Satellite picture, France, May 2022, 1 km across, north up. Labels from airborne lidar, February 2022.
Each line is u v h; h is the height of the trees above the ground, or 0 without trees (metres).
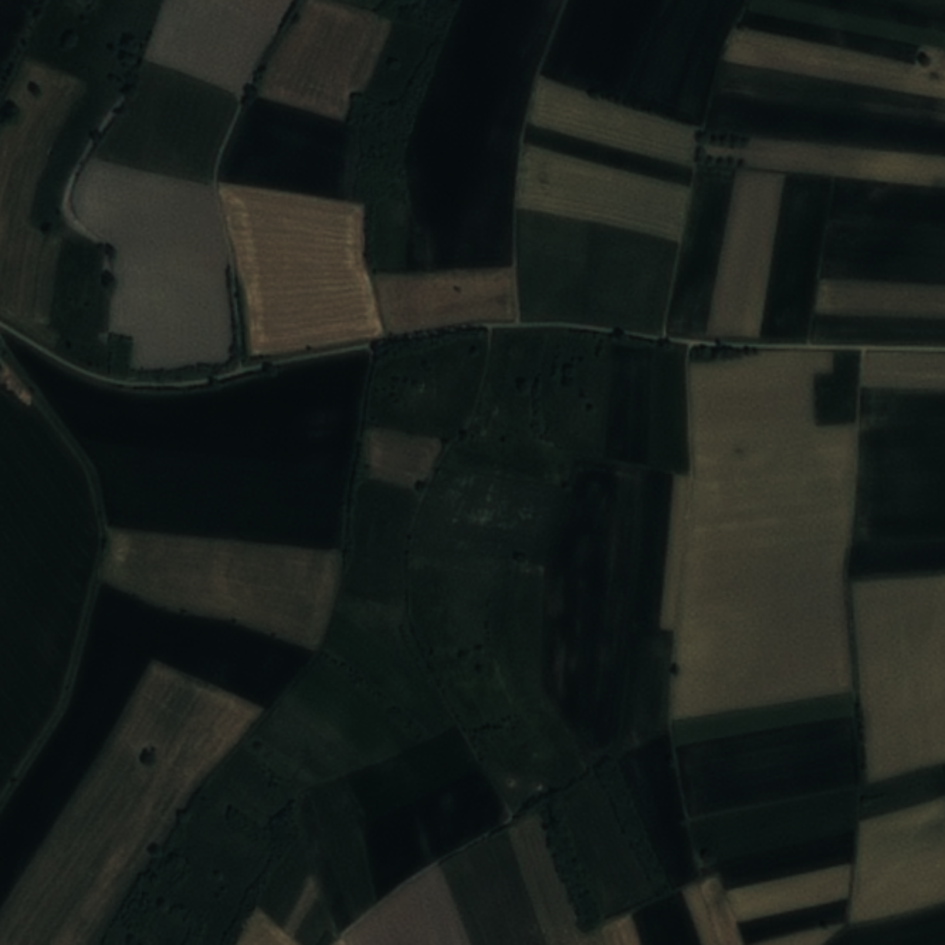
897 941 0
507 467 0
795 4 0
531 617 0
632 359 0
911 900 0
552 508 0
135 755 0
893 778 0
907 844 0
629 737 0
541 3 0
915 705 0
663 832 0
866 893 0
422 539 0
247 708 0
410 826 0
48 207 0
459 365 0
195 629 0
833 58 0
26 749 0
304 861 0
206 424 0
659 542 0
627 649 0
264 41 0
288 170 0
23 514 0
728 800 0
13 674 0
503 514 0
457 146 0
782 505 0
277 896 0
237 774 0
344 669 7
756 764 0
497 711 0
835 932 0
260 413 0
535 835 0
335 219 0
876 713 0
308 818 0
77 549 0
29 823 0
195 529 0
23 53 0
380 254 0
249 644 0
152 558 0
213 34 0
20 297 0
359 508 0
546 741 0
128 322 0
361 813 0
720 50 0
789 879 0
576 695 0
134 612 0
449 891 0
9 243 0
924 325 0
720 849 0
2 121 16
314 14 0
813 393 0
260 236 0
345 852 0
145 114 0
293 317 0
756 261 0
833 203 0
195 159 0
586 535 0
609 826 0
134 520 0
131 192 0
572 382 7
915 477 0
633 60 0
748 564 0
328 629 0
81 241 0
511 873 0
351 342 0
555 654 0
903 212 0
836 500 0
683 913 0
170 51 0
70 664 0
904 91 0
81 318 0
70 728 0
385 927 0
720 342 0
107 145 0
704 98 0
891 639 0
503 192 0
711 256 0
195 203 0
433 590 0
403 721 7
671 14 0
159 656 0
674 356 0
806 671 0
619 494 0
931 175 0
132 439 0
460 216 0
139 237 0
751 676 0
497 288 0
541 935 0
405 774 0
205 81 0
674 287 0
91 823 0
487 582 0
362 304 0
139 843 0
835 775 0
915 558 0
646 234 0
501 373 0
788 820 0
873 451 0
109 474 0
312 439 0
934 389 0
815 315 0
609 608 0
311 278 0
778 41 0
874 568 0
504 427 0
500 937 0
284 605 0
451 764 0
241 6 0
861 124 0
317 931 0
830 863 0
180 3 0
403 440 0
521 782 0
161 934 0
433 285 0
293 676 0
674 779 0
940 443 0
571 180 0
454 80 0
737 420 0
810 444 0
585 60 0
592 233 0
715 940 0
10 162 0
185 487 0
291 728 0
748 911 0
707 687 0
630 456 0
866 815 0
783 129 0
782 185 0
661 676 0
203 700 0
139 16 0
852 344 0
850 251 0
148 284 0
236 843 0
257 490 0
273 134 0
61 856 0
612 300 0
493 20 0
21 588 0
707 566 0
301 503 0
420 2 7
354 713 0
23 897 0
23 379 0
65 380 0
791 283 0
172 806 0
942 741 0
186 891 0
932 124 0
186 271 0
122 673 0
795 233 0
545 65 0
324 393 0
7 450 0
